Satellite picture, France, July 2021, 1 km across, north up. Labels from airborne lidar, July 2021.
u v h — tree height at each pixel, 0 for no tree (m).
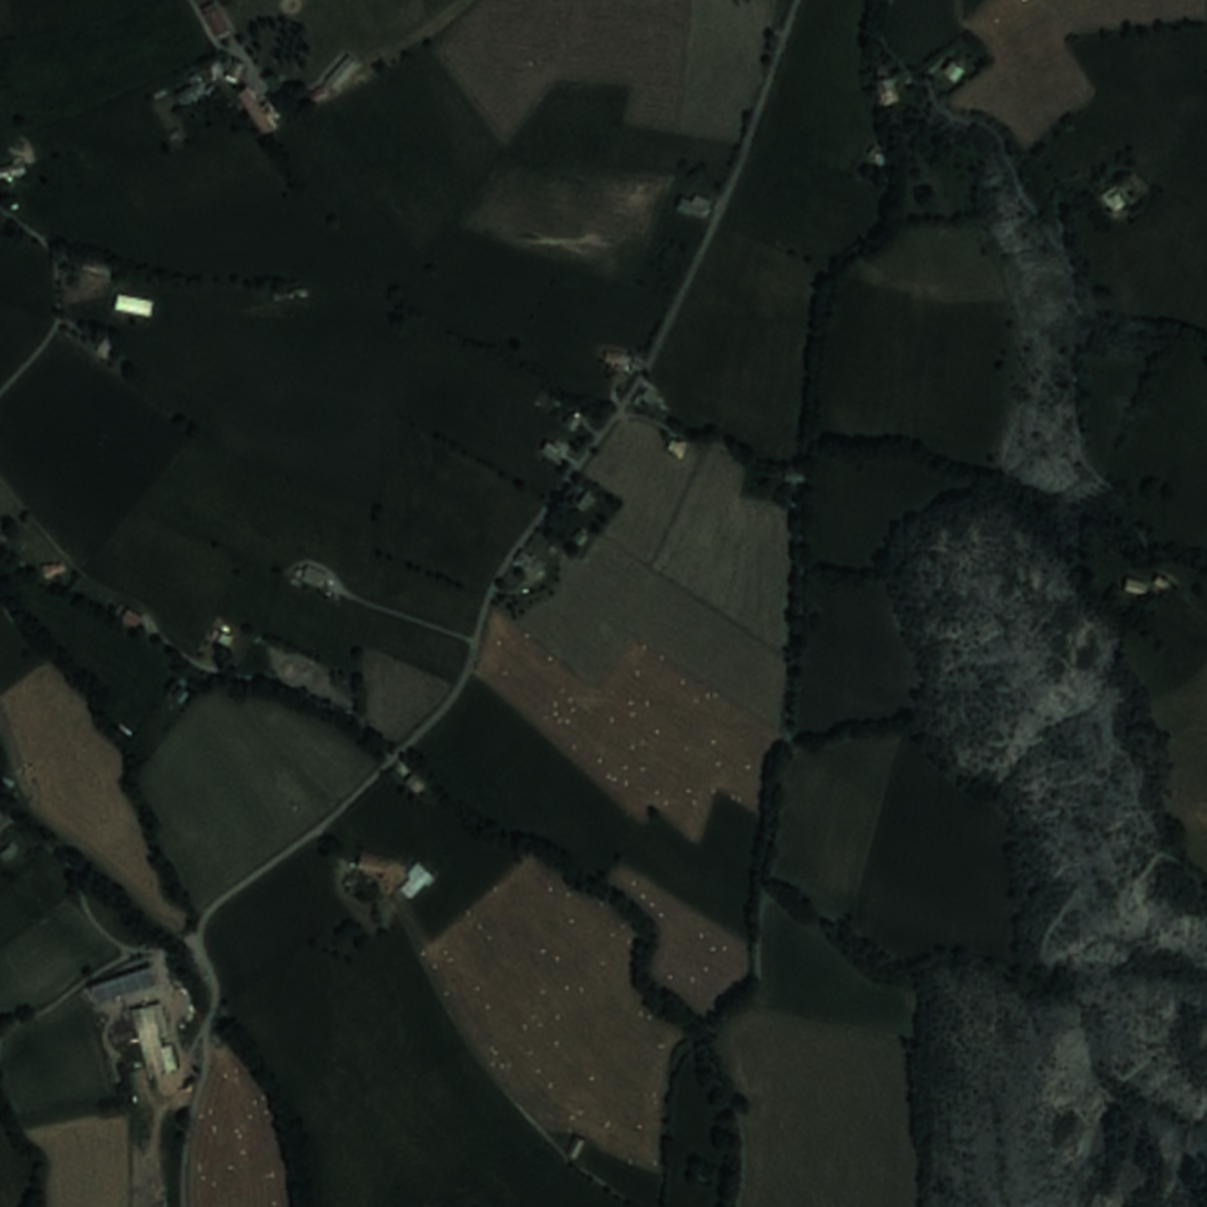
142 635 14
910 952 0
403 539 0
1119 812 0
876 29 15
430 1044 0
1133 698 7
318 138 0
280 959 0
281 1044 0
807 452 5
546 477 0
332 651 0
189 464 0
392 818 0
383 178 0
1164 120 0
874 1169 0
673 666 0
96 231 0
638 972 16
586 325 0
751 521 0
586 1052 0
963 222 12
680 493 0
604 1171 0
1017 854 10
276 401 0
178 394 0
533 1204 0
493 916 0
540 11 0
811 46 0
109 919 0
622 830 0
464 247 0
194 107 7
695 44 0
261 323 0
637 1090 0
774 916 0
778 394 0
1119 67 0
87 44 0
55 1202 0
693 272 0
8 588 18
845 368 0
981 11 0
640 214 0
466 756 0
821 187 0
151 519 0
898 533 13
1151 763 7
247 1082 0
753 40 0
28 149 0
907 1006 0
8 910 0
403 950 0
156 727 0
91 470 0
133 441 0
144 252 0
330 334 0
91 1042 0
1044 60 0
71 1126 0
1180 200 0
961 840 0
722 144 0
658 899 0
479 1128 0
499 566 0
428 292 0
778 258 0
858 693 0
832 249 0
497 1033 0
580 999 0
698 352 0
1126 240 0
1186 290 0
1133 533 9
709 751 0
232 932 0
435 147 0
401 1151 0
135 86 0
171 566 0
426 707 0
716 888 0
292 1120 23
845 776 0
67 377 0
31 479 0
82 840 0
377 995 0
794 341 0
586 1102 0
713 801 0
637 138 0
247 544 0
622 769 0
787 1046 0
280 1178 0
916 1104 16
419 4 0
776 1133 0
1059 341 7
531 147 0
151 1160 0
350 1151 0
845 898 0
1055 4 0
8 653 0
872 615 0
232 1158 0
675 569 0
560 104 0
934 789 0
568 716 0
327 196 0
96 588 0
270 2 0
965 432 0
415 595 0
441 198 0
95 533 0
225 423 0
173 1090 0
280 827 0
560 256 0
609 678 0
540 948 0
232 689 12
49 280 0
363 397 0
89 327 10
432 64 0
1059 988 12
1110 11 0
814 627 9
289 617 0
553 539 14
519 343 15
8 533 13
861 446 21
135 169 0
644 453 0
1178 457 0
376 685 0
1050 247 6
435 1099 0
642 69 0
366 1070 0
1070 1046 0
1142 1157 12
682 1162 0
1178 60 0
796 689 10
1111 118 0
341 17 0
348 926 10
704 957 0
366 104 0
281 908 0
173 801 0
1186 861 8
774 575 0
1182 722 0
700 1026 15
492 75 0
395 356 0
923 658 10
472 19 0
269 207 0
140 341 0
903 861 0
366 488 0
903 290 0
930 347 0
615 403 7
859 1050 0
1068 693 0
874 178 17
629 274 0
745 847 0
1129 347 15
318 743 0
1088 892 0
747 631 0
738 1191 19
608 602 0
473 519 0
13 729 0
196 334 0
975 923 0
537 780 0
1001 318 0
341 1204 0
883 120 10
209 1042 0
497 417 0
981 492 18
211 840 0
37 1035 0
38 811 0
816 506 11
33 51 0
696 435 15
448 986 0
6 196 14
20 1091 0
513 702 0
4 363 0
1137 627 6
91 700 10
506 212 0
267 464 0
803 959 0
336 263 0
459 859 0
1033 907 7
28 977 0
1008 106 0
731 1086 12
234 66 0
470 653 0
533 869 0
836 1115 0
